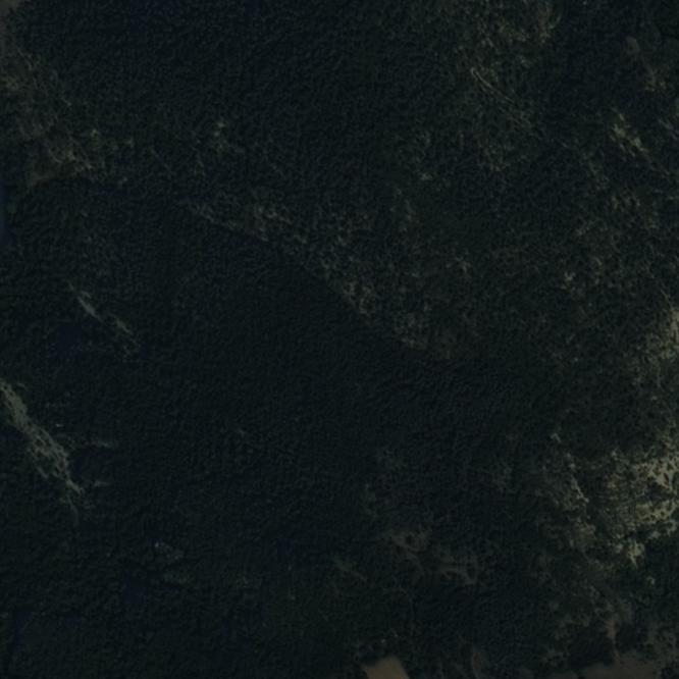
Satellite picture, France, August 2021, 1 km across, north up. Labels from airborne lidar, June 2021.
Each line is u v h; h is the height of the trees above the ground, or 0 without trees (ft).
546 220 28
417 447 62
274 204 40
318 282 27
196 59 32
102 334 31
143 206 46
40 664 22
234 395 33
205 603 32
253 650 32
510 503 28
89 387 24
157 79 20
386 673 0
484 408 39
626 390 30
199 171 32
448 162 19
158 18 36
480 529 22
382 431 22
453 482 44
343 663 40
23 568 31
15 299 57
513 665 46
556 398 34
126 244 37
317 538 24
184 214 25
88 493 26
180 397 25
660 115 51
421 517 28
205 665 49
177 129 33
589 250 22
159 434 29
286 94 40
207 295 34
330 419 25
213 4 57
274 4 31
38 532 22
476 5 33
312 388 30
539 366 35
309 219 31
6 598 35
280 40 41
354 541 25
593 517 23
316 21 33
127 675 21
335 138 27
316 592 28
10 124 35
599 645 27
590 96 29
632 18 45
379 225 22
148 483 27
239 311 28
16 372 22
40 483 37
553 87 28
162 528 29
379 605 27
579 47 38
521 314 26
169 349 35
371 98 42
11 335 53
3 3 0
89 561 30
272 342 31
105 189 32
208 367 24
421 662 29
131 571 31
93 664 28
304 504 37
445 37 30
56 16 46
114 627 51
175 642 45
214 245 30
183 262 24
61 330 28
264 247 57
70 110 27
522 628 37
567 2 39
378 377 20
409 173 25
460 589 27
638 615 25
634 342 31
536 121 29
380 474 27
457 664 28
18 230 70
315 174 45
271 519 27
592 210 24
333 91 23
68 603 23
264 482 33
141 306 33
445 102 20
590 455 25
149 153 33
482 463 28
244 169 37
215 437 35
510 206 28
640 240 33
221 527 19
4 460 36
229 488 27
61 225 38
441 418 50
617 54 41
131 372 24
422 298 20
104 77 25
